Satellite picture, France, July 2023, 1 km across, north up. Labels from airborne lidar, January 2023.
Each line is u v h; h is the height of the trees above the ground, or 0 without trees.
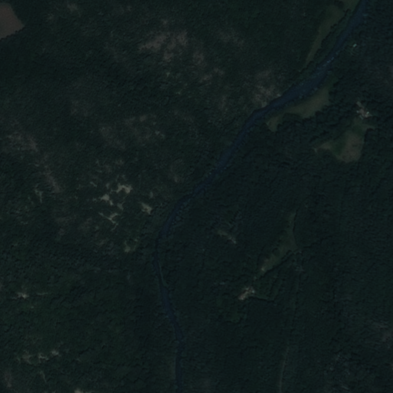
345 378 22
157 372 17
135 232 11
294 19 13
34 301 13
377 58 6
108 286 6
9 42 15
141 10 11
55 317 6
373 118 11
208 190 22
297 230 17
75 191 12
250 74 9
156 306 19
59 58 7
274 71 9
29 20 12
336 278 18
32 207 6
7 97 17
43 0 17
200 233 10
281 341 15
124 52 24
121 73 23
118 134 9
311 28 14
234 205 13
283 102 0
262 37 15
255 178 17
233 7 7
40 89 11
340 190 19
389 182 21
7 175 22
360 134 0
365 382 23
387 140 14
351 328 22
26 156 9
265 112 0
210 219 14
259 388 17
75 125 15
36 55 14
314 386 12
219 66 11
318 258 18
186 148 13
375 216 10
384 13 21
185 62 9
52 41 16
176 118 9
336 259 26
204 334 14
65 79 17
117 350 8
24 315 22
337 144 0
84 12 9
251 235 17
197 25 18
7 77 19
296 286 12
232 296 8
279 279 9
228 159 0
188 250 20
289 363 6
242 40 10
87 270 8
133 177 13
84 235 7
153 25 11
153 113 8
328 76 12
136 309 22
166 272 20
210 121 21
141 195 9
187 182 12
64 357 8
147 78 19
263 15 18
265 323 22
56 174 8
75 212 13
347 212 16
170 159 11
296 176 18
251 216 16
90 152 9
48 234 16
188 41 11
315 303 19
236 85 11
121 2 11
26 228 11
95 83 15
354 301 12
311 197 25
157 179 15
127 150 10
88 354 28
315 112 0
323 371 10
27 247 7
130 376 18
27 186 11
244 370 19
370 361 19
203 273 11
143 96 23
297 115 7
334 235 13
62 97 9
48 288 12
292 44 11
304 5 9
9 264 21
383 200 19
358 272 17
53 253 6
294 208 9
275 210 23
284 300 9
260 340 21
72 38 18
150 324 25
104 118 9
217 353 13
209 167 21
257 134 19
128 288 21
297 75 17
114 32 19
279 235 10
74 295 20
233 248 16
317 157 13
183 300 20
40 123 8
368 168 11
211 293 15
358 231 17
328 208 27
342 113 17
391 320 12
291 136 19
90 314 15
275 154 18
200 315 11
